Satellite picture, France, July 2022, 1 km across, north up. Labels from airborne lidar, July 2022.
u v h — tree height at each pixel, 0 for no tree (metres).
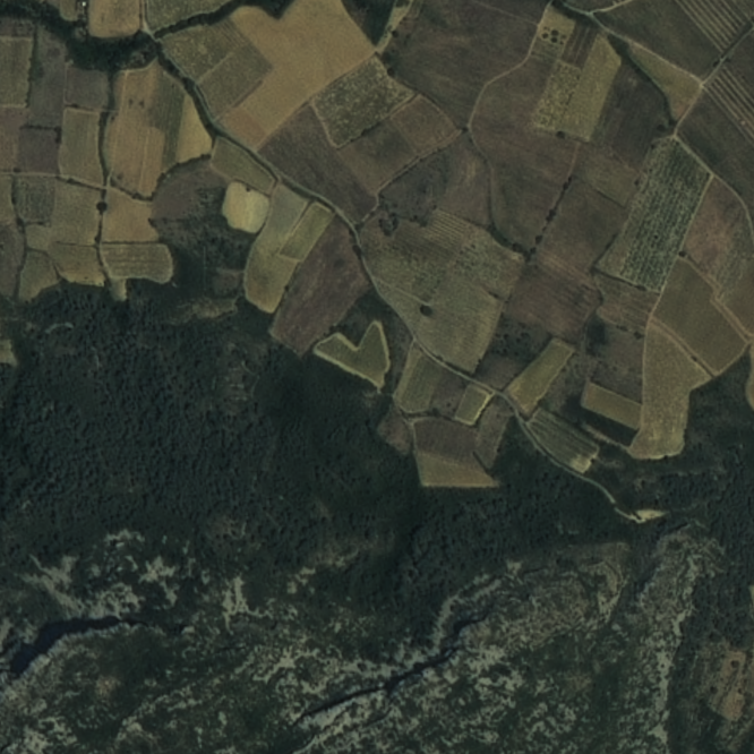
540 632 0
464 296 0
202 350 10
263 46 0
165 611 7
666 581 0
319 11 0
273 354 12
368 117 0
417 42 0
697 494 9
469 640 0
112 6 0
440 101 0
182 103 0
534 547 7
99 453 12
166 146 0
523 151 0
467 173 0
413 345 0
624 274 0
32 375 13
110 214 0
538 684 0
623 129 0
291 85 0
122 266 0
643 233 0
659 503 11
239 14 0
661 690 9
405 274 0
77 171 0
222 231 0
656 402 0
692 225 0
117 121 0
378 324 0
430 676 0
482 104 0
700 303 0
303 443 9
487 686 0
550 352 0
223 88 0
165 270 0
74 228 0
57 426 15
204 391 11
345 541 7
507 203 0
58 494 9
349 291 0
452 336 0
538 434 0
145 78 0
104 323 16
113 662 0
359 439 13
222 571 8
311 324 0
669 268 0
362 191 0
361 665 9
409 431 0
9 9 10
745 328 0
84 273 0
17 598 0
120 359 14
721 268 0
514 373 0
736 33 0
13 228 0
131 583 6
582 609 0
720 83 0
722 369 0
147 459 11
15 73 0
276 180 0
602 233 0
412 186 0
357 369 0
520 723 0
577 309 0
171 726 0
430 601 7
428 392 0
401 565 13
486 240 0
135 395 9
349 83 0
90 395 6
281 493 7
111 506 9
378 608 6
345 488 9
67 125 0
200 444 14
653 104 0
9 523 6
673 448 0
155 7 0
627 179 0
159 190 0
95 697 0
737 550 13
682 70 0
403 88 0
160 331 13
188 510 12
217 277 0
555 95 0
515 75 0
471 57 0
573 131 0
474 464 0
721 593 11
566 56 0
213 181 0
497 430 0
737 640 10
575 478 8
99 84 0
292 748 7
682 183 0
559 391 0
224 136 0
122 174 0
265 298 0
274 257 0
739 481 14
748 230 0
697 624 13
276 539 12
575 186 0
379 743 0
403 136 0
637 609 0
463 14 0
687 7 0
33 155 0
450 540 16
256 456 15
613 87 0
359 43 0
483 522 6
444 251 0
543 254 0
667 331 0
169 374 8
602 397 0
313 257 0
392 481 6
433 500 6
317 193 0
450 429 0
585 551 0
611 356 0
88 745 0
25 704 0
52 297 6
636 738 7
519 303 0
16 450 11
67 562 0
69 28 6
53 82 0
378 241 0
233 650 7
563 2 10
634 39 0
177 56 0
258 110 0
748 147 0
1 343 0
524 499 7
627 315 0
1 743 0
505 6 0
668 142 0
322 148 0
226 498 9
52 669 0
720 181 0
